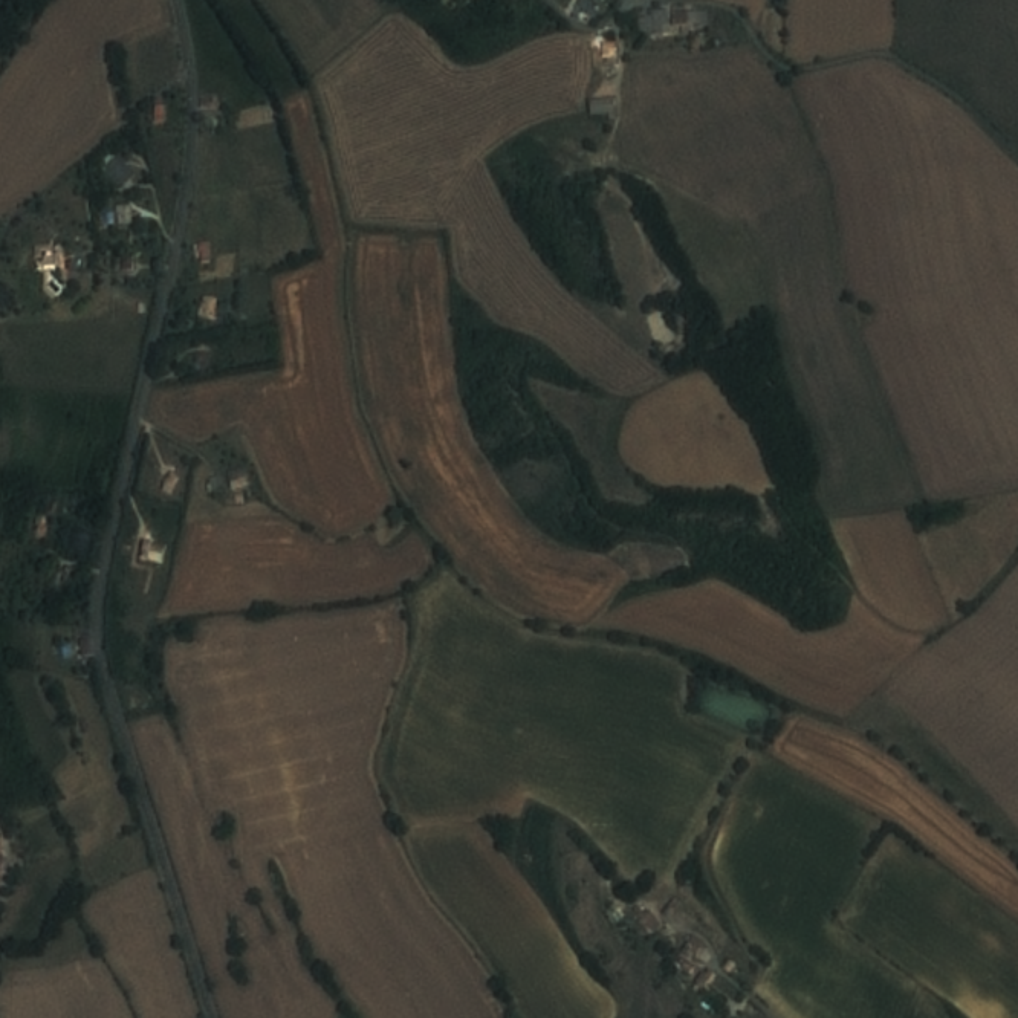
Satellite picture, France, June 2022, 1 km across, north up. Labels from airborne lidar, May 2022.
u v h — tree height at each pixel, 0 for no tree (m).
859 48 0
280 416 0
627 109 0
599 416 0
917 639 0
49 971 0
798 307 0
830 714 0
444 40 11
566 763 0
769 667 0
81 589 14
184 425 0
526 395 9
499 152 0
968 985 0
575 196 9
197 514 0
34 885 0
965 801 0
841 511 0
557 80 0
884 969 0
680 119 0
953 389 0
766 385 16
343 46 0
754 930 0
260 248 0
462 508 0
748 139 0
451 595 0
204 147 0
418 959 0
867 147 0
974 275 0
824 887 0
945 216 0
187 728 0
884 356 0
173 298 6
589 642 0
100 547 7
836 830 0
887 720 0
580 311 0
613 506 11
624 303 11
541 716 0
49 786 10
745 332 16
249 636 0
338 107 0
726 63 0
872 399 0
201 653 0
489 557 0
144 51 0
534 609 0
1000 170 0
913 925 0
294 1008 0
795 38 0
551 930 0
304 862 0
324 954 0
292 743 0
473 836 0
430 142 0
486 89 0
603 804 0
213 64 0
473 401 10
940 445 0
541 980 0
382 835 0
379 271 0
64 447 0
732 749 0
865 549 0
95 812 0
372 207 0
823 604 7
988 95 0
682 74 0
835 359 0
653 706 0
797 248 0
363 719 0
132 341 0
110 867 0
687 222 0
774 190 0
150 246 12
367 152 0
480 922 0
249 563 0
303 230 0
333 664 0
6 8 21
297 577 0
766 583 10
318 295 0
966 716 0
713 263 0
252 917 0
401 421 0
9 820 10
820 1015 0
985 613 0
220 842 9
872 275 0
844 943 0
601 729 0
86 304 8
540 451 8
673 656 9
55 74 0
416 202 0
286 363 0
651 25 0
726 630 0
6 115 0
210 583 0
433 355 0
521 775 0
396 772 0
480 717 0
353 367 0
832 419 0
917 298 0
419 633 0
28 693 0
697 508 14
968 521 0
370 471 0
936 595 0
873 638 0
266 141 0
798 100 0
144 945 0
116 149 14
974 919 0
